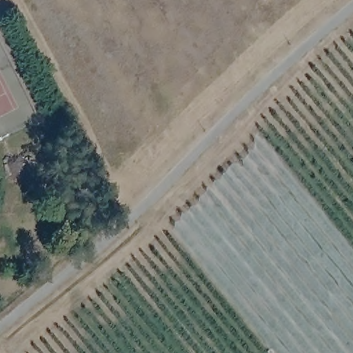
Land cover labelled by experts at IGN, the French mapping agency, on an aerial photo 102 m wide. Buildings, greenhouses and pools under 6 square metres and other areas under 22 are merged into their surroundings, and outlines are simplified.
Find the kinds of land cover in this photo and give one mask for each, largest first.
<instances>
[{"label":"herbaceous vegetation","instance_id":"1","mask_svg":"<svg viewBox=\"0 0 353 353\"><path fill-rule=\"evenodd\" d=\"M353 3V0H0V19L6 17V12L14 6L21 11L25 17L26 28L36 41L37 48L41 54L50 58L54 66L52 76L57 81L59 91L73 106L85 135L97 149L105 170L109 172V182L116 183L119 193L117 201L130 211L148 199L149 194L218 127L233 108L272 74L274 69L279 68L285 59L291 57L310 37ZM323 59L353 94V14L317 43V46L310 48L305 57L284 72L270 90L263 91L255 98L251 108L239 114L237 120L212 142L211 148L205 150L196 164L190 167L185 175L176 179L174 186L153 207L146 210L145 214L139 215L135 223L137 229L127 239L121 241L106 256L95 252L92 262H88L84 265L87 272L83 276L74 280L61 294L44 305L32 314V323L23 327L10 342L4 343L1 349L6 353H77L72 343L55 328L54 323L61 325L63 330L69 332L74 342L83 347V341L63 321V316L68 317L70 323L74 324L84 338H90L91 335L74 319L72 310L79 307L91 309L88 296H91L106 316L116 324V316L99 298L97 291L105 295L110 305L124 319L127 314L123 307L114 301L113 295L103 287L117 269L124 272L132 281L139 294L153 307L154 312H160V307L150 298L148 292L143 290L125 263H130L149 288L154 287L152 281L141 272L137 263L131 261V254L137 256L138 261L152 274L157 283L160 284L163 280L139 254V248L150 256L163 272V263L152 254V251L157 250L175 273L181 272L157 243L163 241L174 254L176 261L182 259L174 245L165 237L174 232V225H170L168 219L172 216L175 222L179 221L181 215L176 214V208H181L182 212L188 211L186 200L192 205L197 203L193 193H199L201 196L204 193L205 189L201 188V183H205L207 188L212 185L214 181H210V175H214L215 179L221 178L222 172H218L219 165L225 171L230 164L239 163L234 152H239L243 159L247 156L243 143H247L248 149L254 146V137L258 134L255 123L261 125L263 130H268V125L263 123V119H268L281 137L287 135L284 128L269 113V108L276 110L281 120L290 127L307 150L312 149L296 130L295 125L274 103V99H279L283 103L284 108L299 121L306 134L324 150L327 148L324 143L314 135L309 125L287 102V97H290L310 123H316L309 110L290 90V85H294L314 112L324 119L325 114L298 84V80H302L324 109L334 114V109L310 83V79L316 80L335 103L336 108L345 114V106L312 70L316 66L346 101L345 92L323 65H320ZM48 114L36 113L26 121L23 130L11 134L10 138L0 142V319L11 313L15 306L39 288L33 283L29 287L18 285L17 281L12 279L18 263L34 259V254L40 252L50 259L51 268L54 270L58 268L59 263L66 265L69 262L68 255H54L43 245L50 241L52 233L61 229L57 222L36 223L37 215L33 214L32 208L33 196L37 189L36 178L39 170L33 163L37 160L41 163L46 159L44 153L52 127L48 123Z\"/></svg>","mask_w":353,"mask_h":353},{"label":"deciduous trees","instance_id":"2","mask_svg":"<svg viewBox=\"0 0 353 353\"><path fill-rule=\"evenodd\" d=\"M320 65H323L345 92L346 101L316 66L312 70L345 106V114L336 108L335 103L316 80L310 79V83L334 109V114L324 109L302 80H298V84L325 114L324 119L314 112L294 85H290V90L309 110L316 123H310L290 97H287V102L309 125L314 135L324 143L327 148L324 150L306 134L299 121L284 108L283 103L279 99H274V103L295 125L296 130L312 149L307 150L290 127L281 120L276 110L269 108V113L284 128L287 135L281 137L268 119H263V123L268 125V130H263L261 125L255 123L258 134L254 137V146L248 149L247 143H243L247 156L243 159L239 152H234L239 163L230 164L225 171L219 165L218 172H222L221 178L215 179L214 175H210V181H214L212 185L207 188L205 183H201V188L205 189L204 193L201 196L199 193H193L197 203L192 205L186 200L188 211L182 212L181 208H176V214L181 215L179 221L175 222L172 216L168 219L170 225H174V232L165 237L174 245L182 259L176 261L174 254L163 241L157 243L181 272L175 273L157 250L152 251V254L163 263V272L150 256L139 248V254L163 280L160 284L157 283L152 274L138 261L137 256L131 254V261L137 263L141 272L152 281L154 287L149 288L130 263H125L143 290L148 292L150 298L160 307V312H154L153 307L139 294L132 281L124 272L117 269L103 287L113 295L114 301L123 307L127 314L124 319L110 305L105 295L97 291L99 298L116 316V324L106 316L91 296H88L91 309L79 307L72 310L74 319L91 335L90 338H84L74 324L70 323L68 317L63 316V321L83 341V347L74 342L69 332L63 330L61 325L54 323L55 328L72 343L77 353H353V94L323 59ZM32 208L33 214L37 215L36 223L57 222L62 221L65 215V204L69 205V208H77L74 197H47L44 188L37 189L33 196ZM77 232L70 229L69 222H65L61 229L52 233L50 241L43 245L54 255H68L69 248L76 243Z\"/></svg>","mask_w":353,"mask_h":353},{"label":"coniferous trees","instance_id":"3","mask_svg":"<svg viewBox=\"0 0 353 353\"><path fill-rule=\"evenodd\" d=\"M0 30L7 46L11 48V57L14 58L17 72L25 81L30 97L36 105V113L48 114V123L52 127L44 153L46 159L41 163L37 160L33 163L39 170L36 178L37 189L44 188L47 197H74L77 208H69V205L65 204V215L62 221L57 222L61 229L65 222H69L70 229L77 232L76 243L69 248L68 255L69 262L76 269H81V262H92L95 252V236L105 230L106 236H113L121 229L128 228L130 211L117 201L119 193L116 183L109 182V172L105 170L97 149L85 135L73 106L59 91L57 81L52 76L54 66L50 58L41 54L37 48L36 41L26 28L25 17L21 11L14 6L6 12V17L0 19ZM54 270L51 268L50 259L40 252L34 254V259L18 263L12 279L17 281L18 285L29 287L33 283L39 288L52 281Z\"/></svg>","mask_w":353,"mask_h":353},{"label":"impervious surface","instance_id":"4","mask_svg":"<svg viewBox=\"0 0 353 353\"><path fill-rule=\"evenodd\" d=\"M353 14V3L310 37L291 57L285 59L279 68L274 69L272 74L233 108L218 127L149 194L148 199L130 211L128 228L121 229L113 236H106L105 230L95 236V252L106 256L121 241L127 239L137 229L135 223L139 215L145 214L146 210L153 207L174 186L176 179L185 175L190 167L196 164L205 150L211 148L212 142L237 120L239 114L251 108L255 98L263 91L270 90L284 72L305 57L310 48L317 46V43ZM36 113V105L30 97L25 81L17 72L14 58L11 57V48L7 46L0 30V142L10 138L11 134L23 130L26 121ZM88 262H81V269H76L69 262L66 265L59 263L58 268L54 270L52 281L39 288L15 306L11 313L0 319V331L10 330L18 317L25 316L39 303L44 305L61 294L74 280L83 276L87 272L84 265Z\"/></svg>","mask_w":353,"mask_h":353},{"label":"pervious surface","instance_id":"5","mask_svg":"<svg viewBox=\"0 0 353 353\"><path fill-rule=\"evenodd\" d=\"M44 305L39 303L25 316L18 317L10 330L0 331V353H6L1 349L4 343L10 342L23 327L32 323V314Z\"/></svg>","mask_w":353,"mask_h":353}]
</instances>
